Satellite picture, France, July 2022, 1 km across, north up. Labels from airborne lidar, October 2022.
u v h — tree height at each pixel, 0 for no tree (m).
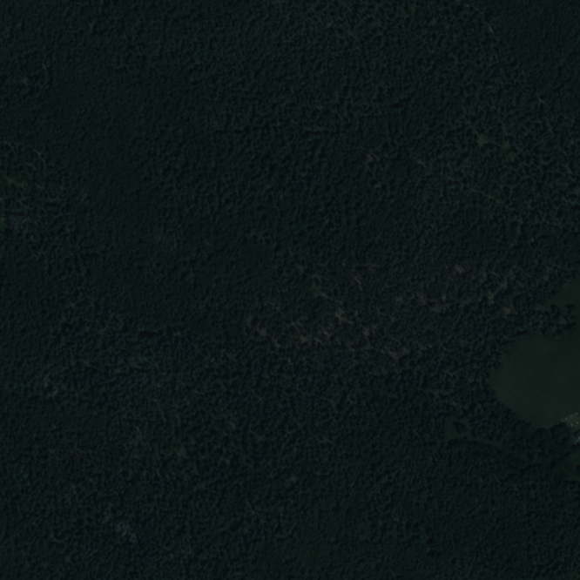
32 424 24
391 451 11
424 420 20
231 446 18
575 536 12
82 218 24
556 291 10
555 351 0
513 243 19
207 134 12
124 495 23
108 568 21
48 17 17
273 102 18
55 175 15
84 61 23
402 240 16
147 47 22
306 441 23
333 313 22
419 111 19
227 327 29
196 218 20
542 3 17
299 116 17
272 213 21
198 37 17
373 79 16
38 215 15
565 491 26
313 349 22
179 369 25
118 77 22
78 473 19
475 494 24
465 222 16
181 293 18
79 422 18
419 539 26
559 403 0
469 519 28
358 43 21
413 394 22
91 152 20
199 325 26
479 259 21
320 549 19
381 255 17
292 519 21
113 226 22
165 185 20
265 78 16
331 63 20
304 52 16
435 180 12
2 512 21
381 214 19
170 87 21
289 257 16
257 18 9
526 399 0
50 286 19
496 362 20
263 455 21
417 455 15
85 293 26
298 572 26
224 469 22
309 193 28
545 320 26
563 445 20
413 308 21
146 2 23
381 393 24
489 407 16
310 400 17
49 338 22
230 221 19
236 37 15
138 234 21
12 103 26
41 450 11
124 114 20
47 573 21
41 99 20
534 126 20
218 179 15
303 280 21
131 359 19
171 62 22
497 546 17
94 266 21
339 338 20
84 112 22
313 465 17
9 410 20
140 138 16
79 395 13
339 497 18
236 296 14
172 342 28
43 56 27
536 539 16
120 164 15
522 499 22
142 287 17
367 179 8
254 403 19
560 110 14
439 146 20
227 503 27
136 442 24
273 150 22
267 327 20
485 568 18
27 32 20
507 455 6
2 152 18
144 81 22
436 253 12
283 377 24
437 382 22
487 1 19
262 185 19
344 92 7
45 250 21
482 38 9
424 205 20
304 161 21
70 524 18
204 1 18
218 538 18
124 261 25
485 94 12
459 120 18
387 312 19
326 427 9
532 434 20
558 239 20
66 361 20
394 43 17
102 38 26
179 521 24
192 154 16
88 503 22
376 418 8
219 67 20
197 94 19
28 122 18
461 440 7
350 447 16
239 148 19
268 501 19
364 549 18
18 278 22
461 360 10
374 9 17
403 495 26
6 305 19
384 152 23
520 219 10
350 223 24
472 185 19
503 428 16
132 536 25
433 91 19
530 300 23
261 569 23
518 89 22
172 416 19
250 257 18
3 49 22
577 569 17
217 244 22
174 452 9
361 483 15
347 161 23
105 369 10
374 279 22
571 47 21
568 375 0
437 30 16
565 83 23
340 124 26
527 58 17
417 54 6
